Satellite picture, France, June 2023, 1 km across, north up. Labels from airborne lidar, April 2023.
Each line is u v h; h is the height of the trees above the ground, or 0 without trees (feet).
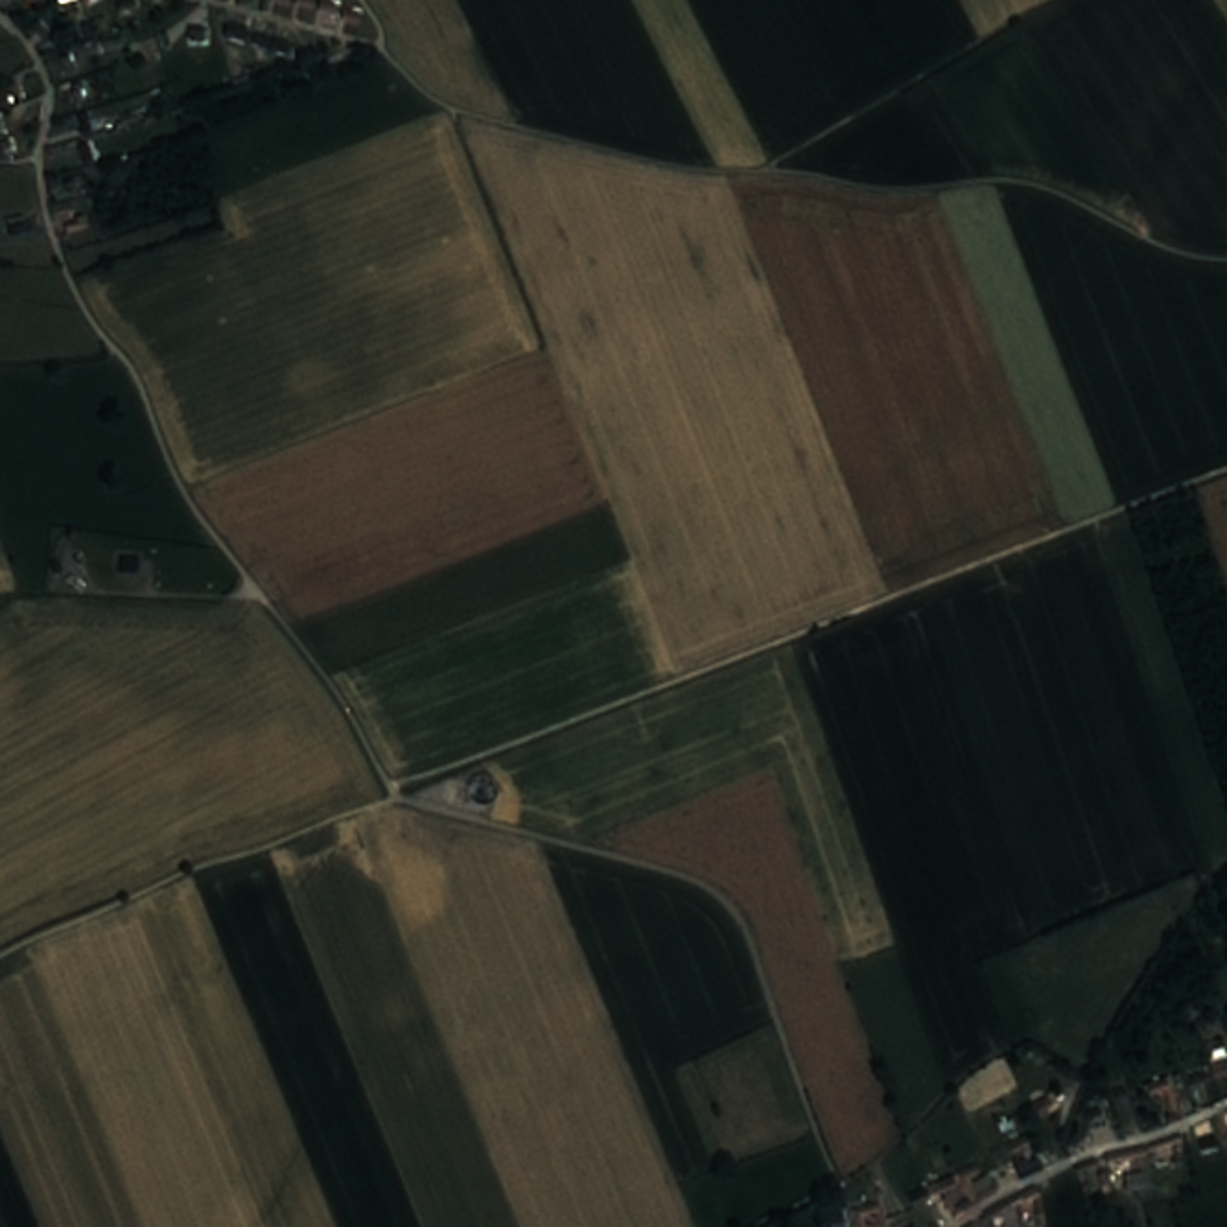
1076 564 0
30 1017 0
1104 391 0
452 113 0
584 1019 0
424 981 0
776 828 0
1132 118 0
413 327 0
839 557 0
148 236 0
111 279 0
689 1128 0
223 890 0
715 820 0
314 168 0
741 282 0
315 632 0
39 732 0
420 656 0
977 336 0
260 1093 0
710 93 0
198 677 0
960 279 0
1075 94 0
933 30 0
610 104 0
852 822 0
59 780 0
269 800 0
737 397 0
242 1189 0
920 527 0
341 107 0
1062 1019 0
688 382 0
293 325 0
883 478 0
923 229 0
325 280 0
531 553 0
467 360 0
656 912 0
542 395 0
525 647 0
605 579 0
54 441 0
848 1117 0
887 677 0
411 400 0
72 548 0
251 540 0
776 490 0
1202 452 0
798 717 0
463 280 0
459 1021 0
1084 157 0
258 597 0
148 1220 0
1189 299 0
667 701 0
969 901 0
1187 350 0
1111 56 0
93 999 0
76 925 0
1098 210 0
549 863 0
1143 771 0
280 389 0
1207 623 37
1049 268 0
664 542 0
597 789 0
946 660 0
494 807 0
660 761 0
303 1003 0
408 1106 0
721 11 0
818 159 0
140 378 0
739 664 0
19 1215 0
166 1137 0
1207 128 0
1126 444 0
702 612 0
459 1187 0
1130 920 0
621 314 0
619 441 0
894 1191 0
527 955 0
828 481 0
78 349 0
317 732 0
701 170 0
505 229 0
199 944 0
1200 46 0
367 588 0
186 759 0
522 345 0
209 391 0
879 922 0
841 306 0
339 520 0
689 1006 0
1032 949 0
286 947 0
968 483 0
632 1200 0
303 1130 0
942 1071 0
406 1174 0
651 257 0
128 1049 0
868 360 0
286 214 0
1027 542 0
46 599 0
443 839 0
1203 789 0
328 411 0
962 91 0
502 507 0
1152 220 0
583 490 0
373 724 0
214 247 0
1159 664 0
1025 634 0
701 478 0
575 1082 0
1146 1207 0
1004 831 0
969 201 0
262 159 0
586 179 0
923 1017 0
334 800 0
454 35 0
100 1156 0
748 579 0
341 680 0
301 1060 0
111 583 0
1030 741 0
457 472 0
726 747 0
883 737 0
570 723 0
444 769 0
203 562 0
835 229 0
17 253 0
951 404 0
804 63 0
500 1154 0
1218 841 0
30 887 0
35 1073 0
